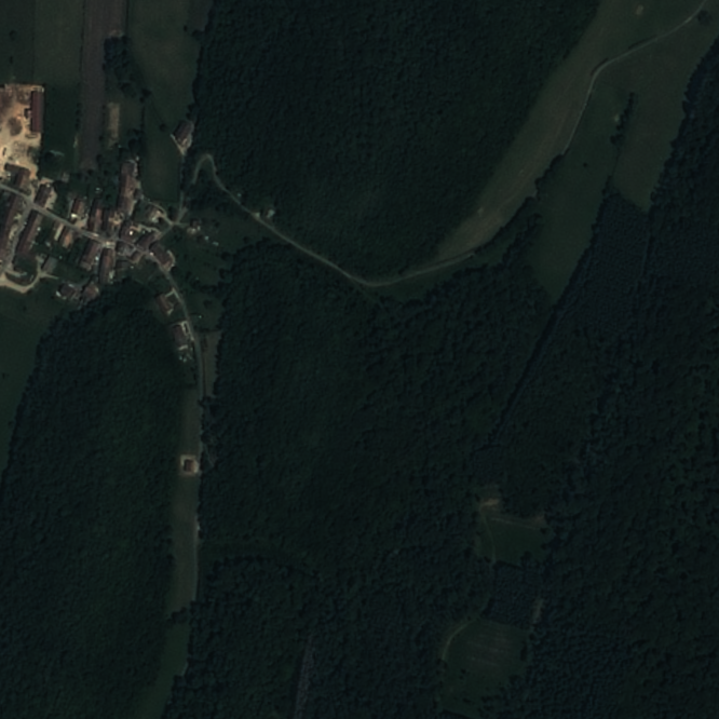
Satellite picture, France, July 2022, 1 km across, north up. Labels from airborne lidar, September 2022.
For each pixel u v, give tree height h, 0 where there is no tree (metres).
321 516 14
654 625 27
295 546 16
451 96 13
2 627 16
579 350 12
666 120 0
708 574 29
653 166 0
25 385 0
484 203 0
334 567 16
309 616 25
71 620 11
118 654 20
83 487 12
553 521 23
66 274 0
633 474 23
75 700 9
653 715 26
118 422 7
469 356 22
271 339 11
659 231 20
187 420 0
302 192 8
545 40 12
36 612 14
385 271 13
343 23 17
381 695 21
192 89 0
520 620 17
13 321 0
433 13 13
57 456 13
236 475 17
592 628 18
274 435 10
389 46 16
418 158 10
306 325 9
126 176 0
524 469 11
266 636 13
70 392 17
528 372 16
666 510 20
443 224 20
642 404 26
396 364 18
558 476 7
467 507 13
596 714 20
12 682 18
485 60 17
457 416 21
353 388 13
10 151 0
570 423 9
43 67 0
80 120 6
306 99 18
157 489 15
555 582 25
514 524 0
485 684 0
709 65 22
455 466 16
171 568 29
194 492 0
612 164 0
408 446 20
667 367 26
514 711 24
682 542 24
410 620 18
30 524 21
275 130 15
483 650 0
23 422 22
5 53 0
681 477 22
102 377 14
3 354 0
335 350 6
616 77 0
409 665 18
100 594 9
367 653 17
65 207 6
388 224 11
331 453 10
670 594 20
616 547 33
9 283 0
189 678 9
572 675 20
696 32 0
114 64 26
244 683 16
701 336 20
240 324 14
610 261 20
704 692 24
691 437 25
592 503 30
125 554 6
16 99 0
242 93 12
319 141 13
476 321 8
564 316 18
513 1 12
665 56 0
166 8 0
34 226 0
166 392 14
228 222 0
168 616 9
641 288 13
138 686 20
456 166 17
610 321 22
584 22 6
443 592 7
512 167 0
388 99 13
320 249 9
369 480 16
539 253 0
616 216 19
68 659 18
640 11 0
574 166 0
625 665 24
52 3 0
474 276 20
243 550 6
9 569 19
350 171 7
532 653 20
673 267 21
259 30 14
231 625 19
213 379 0
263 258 11
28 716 16
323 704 24
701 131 27
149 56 0
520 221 18
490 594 14
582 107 0
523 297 29
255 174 16
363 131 11
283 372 11
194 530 0
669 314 27
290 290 6
